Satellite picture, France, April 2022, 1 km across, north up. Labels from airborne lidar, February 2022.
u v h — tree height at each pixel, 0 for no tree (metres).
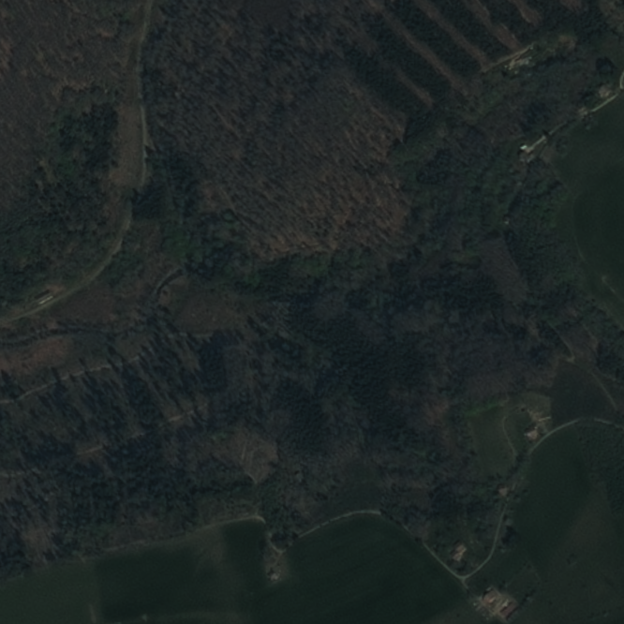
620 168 0
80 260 21
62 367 0
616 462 6
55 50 34
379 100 31
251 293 28
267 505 13
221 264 24
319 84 10
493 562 0
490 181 29
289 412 30
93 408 0
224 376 27
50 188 21
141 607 0
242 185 36
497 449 0
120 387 0
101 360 22
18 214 28
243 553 0
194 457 32
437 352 21
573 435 0
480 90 30
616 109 0
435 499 17
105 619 0
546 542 0
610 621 0
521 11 21
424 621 0
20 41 36
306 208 29
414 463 31
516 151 0
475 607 0
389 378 30
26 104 33
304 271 29
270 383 32
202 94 33
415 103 27
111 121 21
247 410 31
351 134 32
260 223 35
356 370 34
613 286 0
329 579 0
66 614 0
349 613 0
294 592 0
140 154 0
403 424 26
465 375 19
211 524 0
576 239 0
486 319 32
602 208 0
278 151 36
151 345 0
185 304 0
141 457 28
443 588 0
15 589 0
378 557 0
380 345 31
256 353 33
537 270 26
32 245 31
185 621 0
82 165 7
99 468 0
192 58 32
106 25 31
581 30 28
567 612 0
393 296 17
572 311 28
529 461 16
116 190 11
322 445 30
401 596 0
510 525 12
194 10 32
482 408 24
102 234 14
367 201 35
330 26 29
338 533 0
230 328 0
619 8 20
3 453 23
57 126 19
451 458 23
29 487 0
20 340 22
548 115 24
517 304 26
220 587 0
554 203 18
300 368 33
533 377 29
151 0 0
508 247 26
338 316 32
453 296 26
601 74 8
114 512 17
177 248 17
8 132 30
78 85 31
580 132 0
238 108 33
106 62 32
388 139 37
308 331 28
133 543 0
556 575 0
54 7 31
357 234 35
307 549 0
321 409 26
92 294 0
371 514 0
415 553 0
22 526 0
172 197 18
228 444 28
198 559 0
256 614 0
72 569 0
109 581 0
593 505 0
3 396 10
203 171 28
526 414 0
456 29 20
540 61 0
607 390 0
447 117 31
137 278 14
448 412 0
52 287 16
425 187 32
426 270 20
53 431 0
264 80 32
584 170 0
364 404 25
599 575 0
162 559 0
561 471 0
